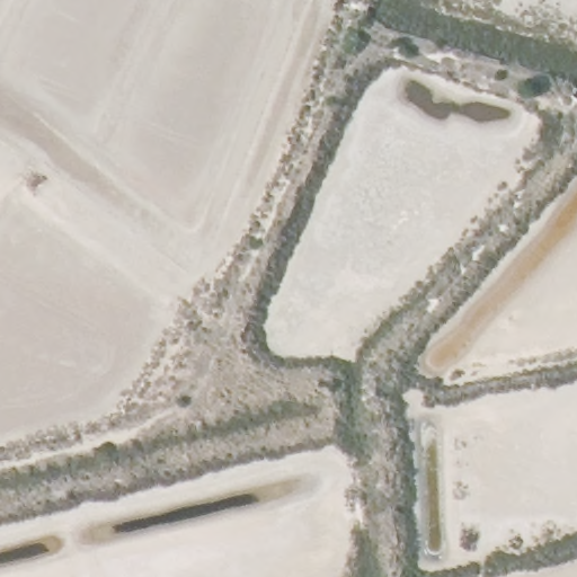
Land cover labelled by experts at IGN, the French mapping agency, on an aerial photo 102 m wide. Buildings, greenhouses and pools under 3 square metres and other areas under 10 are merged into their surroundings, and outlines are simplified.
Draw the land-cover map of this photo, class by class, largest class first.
<instances>
[{"label":"pervious surface","instance_id":"1","mask_svg":"<svg viewBox=\"0 0 577 577\"><path fill-rule=\"evenodd\" d=\"M336 0H0V446L27 440L32 435H43L45 430H61L65 424L86 426L99 421L101 417L124 412L126 403L122 401V390H128L133 385L144 363H151L153 349L162 338V331L174 329L180 302L192 300V289L198 279L216 282L223 277L232 261L234 246L241 243V239L246 237L252 212L264 201L266 183H270L282 156L289 151L291 128L300 113L304 95L311 88L318 54L325 52L327 29H331L334 25ZM518 2L534 7L536 0H500V14L505 16H512ZM550 5H559L563 16L577 18V0H548ZM410 79L428 86L437 101H485L491 106L507 108L509 117L500 122H473L462 115L433 119L417 106L406 101L403 88ZM541 122L534 113L525 110L521 101L496 97L491 92H473L444 77L428 74L421 70L388 68L381 72L379 79H374L367 86L365 95L361 97L352 115V122L345 128L336 158L327 169L320 192L316 194L309 223L293 250V257L289 259L284 279L268 304L266 318L268 347L279 356H338L345 361H354L363 338L376 329V325L392 309H397L401 304V298L410 293L415 282H426L428 268L440 264L446 250L460 241L462 230H476L471 225V216L485 219L487 210H496L521 183V174L516 171L514 160L521 158L523 151L539 140ZM577 363V223L568 232V237L534 270V275L525 279L521 291L503 307L496 320L489 322V327L478 336V340L471 343L467 354L446 361L444 374L440 379L446 385H462L487 376H503L523 370ZM406 415L410 421V440L415 444L412 464L417 498L412 512L419 539V568L446 570L471 561H485L487 554L500 550L514 536H523V543L530 548L548 541H559L566 534L577 532V381L559 388L485 394L480 399L464 401L458 406L433 408L424 403L421 390H408L403 394ZM428 444L437 446L442 518V543L437 550L430 548L428 541ZM354 471V458H349L347 453H343L338 446H325L318 451L284 455L279 460H255L248 464L212 471L194 480H183L169 487H151L144 491H135L117 500H88L68 512L0 525V550L23 545L36 539L47 548V554L0 566V577H343L347 572V557L356 552L352 530L354 525L358 527L365 518L363 503L358 498H345V491L352 487ZM246 491L257 496L255 505L225 509L219 514L183 523L158 525L131 534L115 532V523L119 521L151 516L167 509L216 500ZM500 577H577V559L561 566L516 570Z\"/></svg>","mask_w":577,"mask_h":577},{"label":"herbaceous vegetation","instance_id":"2","mask_svg":"<svg viewBox=\"0 0 577 577\"><path fill-rule=\"evenodd\" d=\"M388 68L421 70L428 74L444 77L473 92H491L496 97L521 101L525 110L534 113L541 122L539 140L523 151L521 158L514 160L516 171L521 174V183L496 210H487L485 219L471 216V225L476 230H462L460 241L446 250L440 264L428 268L426 282H415L410 293L401 298V304L397 309L401 320L365 358L361 376V406L356 408V433H365V437L356 442V446L347 453L349 458H354V471L352 487L345 491V498H358L363 503L365 518L358 527L372 541L379 543V563L383 570L381 577H401L397 554L403 552V541H397L394 507L388 500L394 489L401 487V471L397 469L394 460L388 458L390 442L392 437H397V428L385 426V412H390V401L376 397L370 363L374 361L388 370V349H397L399 345L412 347L426 329V325L433 320L435 311L444 309L462 291L464 275L476 273L482 252L494 250L509 232L518 239V243L498 261V266L480 284V289L455 311V316L440 327L437 334L430 336L426 352L419 356L417 372L430 379H440L444 374L446 361L467 354L471 343L478 340V336L489 327V322L496 320L503 307L521 291L525 279L534 275V270L568 237V232L577 223V18L563 16L559 5H550L548 0H536L534 7L518 2L512 16H505L500 14V0H336L334 25L331 29H327L325 52L318 54L311 88L304 95L300 113L291 128L289 151L282 156L270 183H266L264 201L252 212L246 237L241 239V243L234 246L232 261L223 277L216 282L198 279L192 289V300L180 302L174 329L162 331V338L153 349L151 363H144L133 385L128 390H122V401L126 403L124 412L101 417L99 421L86 426L65 424L61 430H45L43 435H32L27 440L0 446V471L32 464L45 467L47 462L59 464L65 462V458L70 455L90 453L97 446L106 453V458H110L117 451V444H126L131 440L142 437H156L160 430L169 426L178 433H185L189 426L201 428L207 421H228L234 417V412H255L257 408H268L273 401L295 399L320 408V412L313 417L273 421L270 426L232 433L228 437L198 440L183 446L158 449L151 455L137 458L133 467H115L101 476L92 473L88 480H43L34 489L0 491V514L16 512L18 507L27 505L32 507L38 500L63 498L68 491L126 485L133 478L149 476L151 471L167 473L201 460L223 458L225 453L237 455L261 446L275 449L282 444H298L309 437L331 435L338 415L336 403L345 399V392H331L329 388H320L318 381H331V370L266 367L252 363L246 354L241 331L246 327L250 311L255 309L266 318L268 304L284 279L289 259L293 257V250L309 223L316 194L320 192L327 169L336 158L345 128L352 122V115L361 97L365 95L367 86L374 79H379L381 72ZM406 101L417 106L433 119L462 115L473 122H500L509 117L507 108L491 106L485 101H437L428 86L410 79L403 88ZM530 548L523 543V536H514L500 550L507 554H525Z\"/></svg>","mask_w":577,"mask_h":577},{"label":"brushwood","instance_id":"3","mask_svg":"<svg viewBox=\"0 0 577 577\"><path fill-rule=\"evenodd\" d=\"M518 243V239L509 232L494 250L482 252L476 273L464 275L462 291L444 309L435 311L433 320L426 325V329L412 347L399 345L397 349H388V370L374 361L370 363L376 397L390 401V412H385V426L397 428V437H392L390 442L388 458L394 460L397 469L401 471V487L394 489L388 500L394 507L397 541H403V552L397 554L401 577H500L516 570L561 566L577 559V532L566 534L559 541H548L530 548L525 554H507L500 550L487 554L485 561H471L446 570L419 568V539L412 512L417 498L412 464L415 444L410 440V421L406 415L403 394L408 390H421L424 403L433 408L458 406L464 401L480 399L485 394L559 388L577 381V363L523 370L503 376H487L462 385H446L440 379H430L417 372L419 356L426 352L430 336L437 334L440 327L455 316V311L480 289V284L498 266V261ZM401 320L397 309H392L376 325V329L363 338L354 361H345L338 356H279L268 347L266 318L255 309L250 311L246 327L241 331L246 354L252 363L266 367L331 370V381H318L320 388H329L331 392H345V399L336 403L338 415L331 435L309 437L298 444H282L275 449L261 446L237 455L225 453L223 458L201 460L167 473L151 471L149 476L133 478L126 485L68 491L63 498L38 500L32 507L27 505L18 507L16 512L0 514V525L68 512L88 500H117L135 491H144L151 487H169L183 480H194L212 471L248 464L255 460H279L284 455L318 451L325 446H338L343 453H347L356 446V442L365 437V433H356V408L361 406V376L365 358ZM320 412V408L295 399L273 401L268 408H257L255 412H234V417L228 421H207L201 428L189 426L185 433H178L169 426L160 430L156 437H142L131 440L126 444H117V451L110 458H106V453L97 446L90 453L70 455L65 458V462L59 464L47 462L45 467L32 464L0 471V491L34 489L43 480H88L92 473L101 476L115 467H133L137 458L151 455L158 449L183 446L198 440L228 437L232 433L270 426L273 421L313 417ZM356 552L347 557V572L343 577H381L383 570L379 563V543L372 541L358 527L354 525L352 530Z\"/></svg>","mask_w":577,"mask_h":577},{"label":"water","instance_id":"4","mask_svg":"<svg viewBox=\"0 0 577 577\"><path fill-rule=\"evenodd\" d=\"M428 541L430 548L437 550L442 543V518L437 446L428 444ZM257 496L246 491L216 500L167 509L151 516L119 521L115 523V532L131 534L158 525L183 523L219 514L225 509L255 505ZM47 554V548L36 539L23 545L0 550V566Z\"/></svg>","mask_w":577,"mask_h":577}]
</instances>
